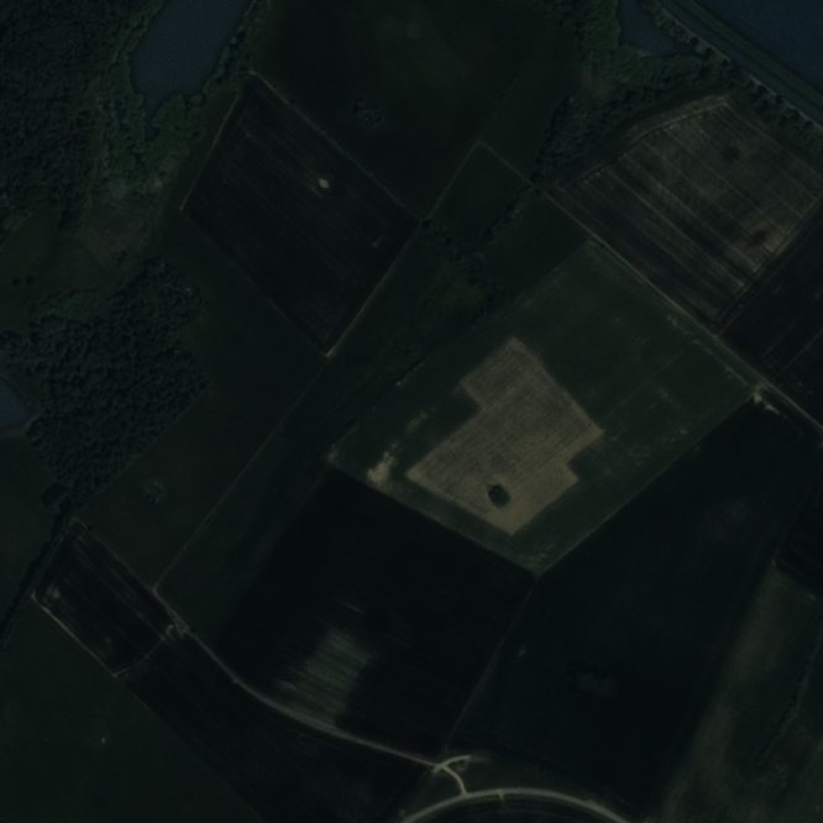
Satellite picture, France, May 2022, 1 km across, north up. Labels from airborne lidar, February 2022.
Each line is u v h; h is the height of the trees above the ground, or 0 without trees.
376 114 9
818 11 0
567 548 0
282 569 0
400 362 0
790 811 0
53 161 12
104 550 0
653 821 0
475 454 0
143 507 0
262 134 0
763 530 0
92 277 0
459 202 0
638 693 0
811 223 0
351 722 0
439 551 0
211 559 0
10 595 0
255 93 0
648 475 0
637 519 0
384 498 0
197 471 0
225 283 0
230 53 6
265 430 0
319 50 0
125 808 0
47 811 0
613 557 0
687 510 0
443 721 0
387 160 0
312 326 0
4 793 0
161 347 12
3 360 0
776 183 0
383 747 0
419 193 0
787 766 0
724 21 0
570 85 0
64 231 11
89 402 17
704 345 0
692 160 0
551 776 0
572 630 0
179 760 0
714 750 0
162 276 19
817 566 0
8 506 0
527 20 0
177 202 0
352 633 0
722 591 0
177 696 0
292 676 0
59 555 0
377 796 0
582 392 0
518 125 0
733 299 0
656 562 0
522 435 0
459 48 0
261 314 0
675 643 0
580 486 0
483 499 0
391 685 0
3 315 0
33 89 19
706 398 0
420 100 0
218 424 0
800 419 0
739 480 0
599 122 12
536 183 11
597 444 0
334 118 0
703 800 0
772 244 0
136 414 12
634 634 0
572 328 0
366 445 0
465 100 0
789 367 0
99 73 13
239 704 0
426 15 0
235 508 0
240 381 0
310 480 0
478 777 0
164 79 0
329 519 0
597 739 0
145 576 0
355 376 0
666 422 0
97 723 0
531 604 0
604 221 0
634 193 0
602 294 0
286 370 0
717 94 0
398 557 0
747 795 0
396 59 0
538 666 0
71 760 0
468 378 0
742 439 0
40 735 0
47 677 0
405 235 0
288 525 0
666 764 0
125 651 0
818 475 0
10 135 18
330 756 0
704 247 0
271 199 0
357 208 0
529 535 0
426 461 0
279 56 0
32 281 9
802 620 0
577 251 0
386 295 0
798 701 6
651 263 0
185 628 0
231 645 0
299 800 0
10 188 11
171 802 0
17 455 0
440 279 0
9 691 0
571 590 0
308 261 0
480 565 0
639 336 0
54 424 18
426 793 0
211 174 0
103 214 0
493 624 0
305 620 0
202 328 0
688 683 0
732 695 0
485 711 0
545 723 0
